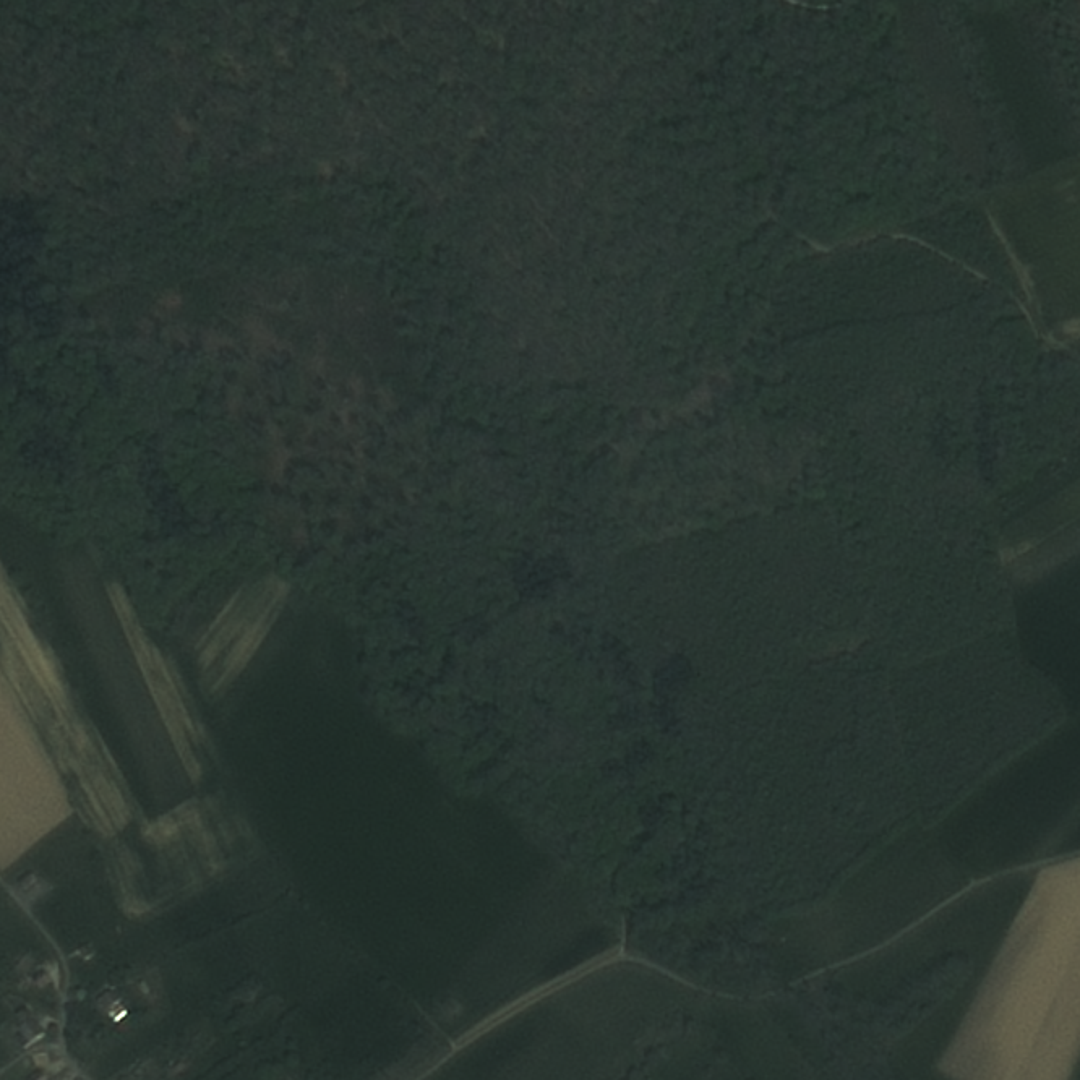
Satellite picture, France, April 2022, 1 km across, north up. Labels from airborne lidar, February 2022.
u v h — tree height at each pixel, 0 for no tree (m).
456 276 23
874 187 19
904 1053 0
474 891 0
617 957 0
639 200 27
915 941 0
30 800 0
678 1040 0
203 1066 0
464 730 25
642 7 30
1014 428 26
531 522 27
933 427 26
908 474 23
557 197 29
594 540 21
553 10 30
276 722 0
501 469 31
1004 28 0
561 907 0
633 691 24
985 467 23
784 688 9
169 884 0
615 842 22
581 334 27
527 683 25
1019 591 0
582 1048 0
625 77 26
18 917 0
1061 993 0
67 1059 0
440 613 26
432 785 0
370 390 0
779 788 9
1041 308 0
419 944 0
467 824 0
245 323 0
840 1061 17
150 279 26
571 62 28
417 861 0
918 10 0
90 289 24
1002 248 11
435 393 28
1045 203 0
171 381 25
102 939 0
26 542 0
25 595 10
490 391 25
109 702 0
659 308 27
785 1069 0
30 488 22
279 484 0
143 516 26
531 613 29
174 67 30
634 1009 0
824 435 23
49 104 27
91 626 0
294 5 26
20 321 28
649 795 24
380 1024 0
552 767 24
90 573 0
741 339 22
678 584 13
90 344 26
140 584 21
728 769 18
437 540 28
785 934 0
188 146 29
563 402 29
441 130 25
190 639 0
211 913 0
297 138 29
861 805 21
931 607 21
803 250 25
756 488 22
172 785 0
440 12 28
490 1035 0
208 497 25
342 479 26
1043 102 0
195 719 0
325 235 23
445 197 26
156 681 0
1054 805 0
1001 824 0
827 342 19
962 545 23
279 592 0
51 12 28
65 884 0
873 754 21
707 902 24
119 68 30
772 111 27
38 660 0
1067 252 0
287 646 0
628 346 31
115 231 26
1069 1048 0
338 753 0
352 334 0
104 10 29
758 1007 0
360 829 0
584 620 26
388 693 24
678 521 26
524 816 19
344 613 18
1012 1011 0
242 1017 12
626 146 27
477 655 27
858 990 0
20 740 0
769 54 25
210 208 25
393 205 27
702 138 26
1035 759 0
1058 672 0
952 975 19
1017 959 0
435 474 26
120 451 22
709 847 17
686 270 27
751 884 19
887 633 20
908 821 14
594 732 23
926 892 0
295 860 0
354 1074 0
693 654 13
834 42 28
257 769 0
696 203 26
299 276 0
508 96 28
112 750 0
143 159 30
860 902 0
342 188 21
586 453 18
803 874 9
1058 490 0
